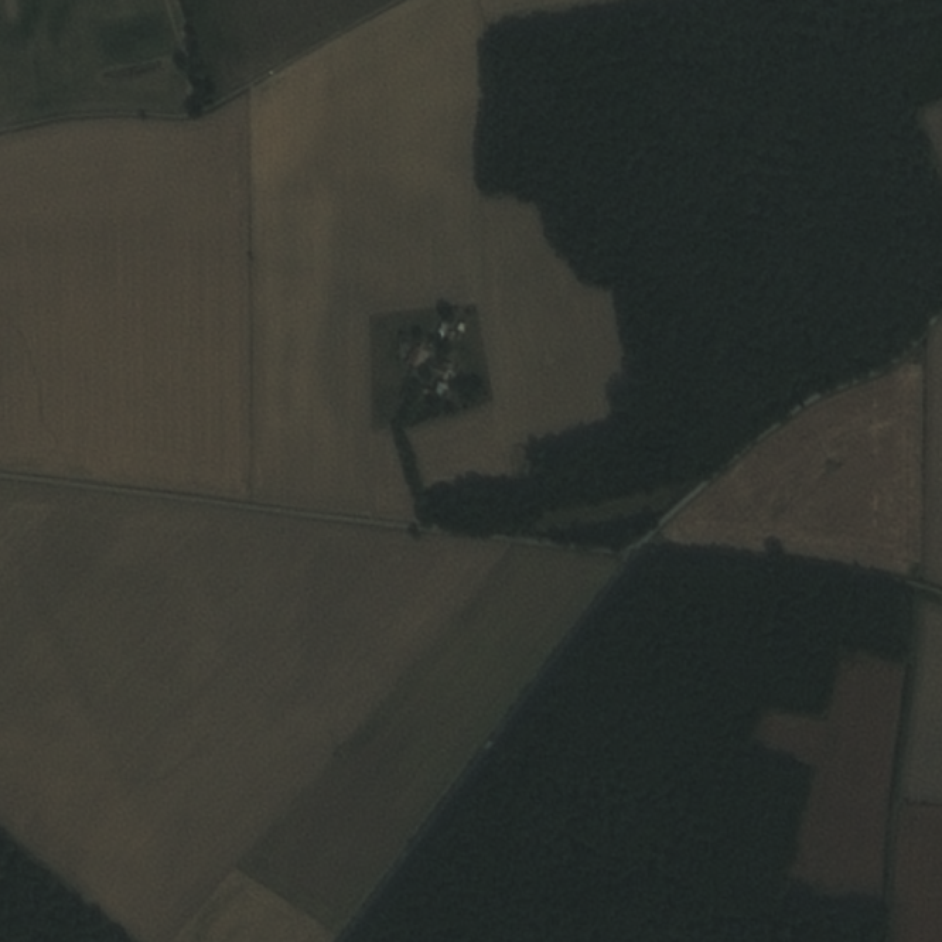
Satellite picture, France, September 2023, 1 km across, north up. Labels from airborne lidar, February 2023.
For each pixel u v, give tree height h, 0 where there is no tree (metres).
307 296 0
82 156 0
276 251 0
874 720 0
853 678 0
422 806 0
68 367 0
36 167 0
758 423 16
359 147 0
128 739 0
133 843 0
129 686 0
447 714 0
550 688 21
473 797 22
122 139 0
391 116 0
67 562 0
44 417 0
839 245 21
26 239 0
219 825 0
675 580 24
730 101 21
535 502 21
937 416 0
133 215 0
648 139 13
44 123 0
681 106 19
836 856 0
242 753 0
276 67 0
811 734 0
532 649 0
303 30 0
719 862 25
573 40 21
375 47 0
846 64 21
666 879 21
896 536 0
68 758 0
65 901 19
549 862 16
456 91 0
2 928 21
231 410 0
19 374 0
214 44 0
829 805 0
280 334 0
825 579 16
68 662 0
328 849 0
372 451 0
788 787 23
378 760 0
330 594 0
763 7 25
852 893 0
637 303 20
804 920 35
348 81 0
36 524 0
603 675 22
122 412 0
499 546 0
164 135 0
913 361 0
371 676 0
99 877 0
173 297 0
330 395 0
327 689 0
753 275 23
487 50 14
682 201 16
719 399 23
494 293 0
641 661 22
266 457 0
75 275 0
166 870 0
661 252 19
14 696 0
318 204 0
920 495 0
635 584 23
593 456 22
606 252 21
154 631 0
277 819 0
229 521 0
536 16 0
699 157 20
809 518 0
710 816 23
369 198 0
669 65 22
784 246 18
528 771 21
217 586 0
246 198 0
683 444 24
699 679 20
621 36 15
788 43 21
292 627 0
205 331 0
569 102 19
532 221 0
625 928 22
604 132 19
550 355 0
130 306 0
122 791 0
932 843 0
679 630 24
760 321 21
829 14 21
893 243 23
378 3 0
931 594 0
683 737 21
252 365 0
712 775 19
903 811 0
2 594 0
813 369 17
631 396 22
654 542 0
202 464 0
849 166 19
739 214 20
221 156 0
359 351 0
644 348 21
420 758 0
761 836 23
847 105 21
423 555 0
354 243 0
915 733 0
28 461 0
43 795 0
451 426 0
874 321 20
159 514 0
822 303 19
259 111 0
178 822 0
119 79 0
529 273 0
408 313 0
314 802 0
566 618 0
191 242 0
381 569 0
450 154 0
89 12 0
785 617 23
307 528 0
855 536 0
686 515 0
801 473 0
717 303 19
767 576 23
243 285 0
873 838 0
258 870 0
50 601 0
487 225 0
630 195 20
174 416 0
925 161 18
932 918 0
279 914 0
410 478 11
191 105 11
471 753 0
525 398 0
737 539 0
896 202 24
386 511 0
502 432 0
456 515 17
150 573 0
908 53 22
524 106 20
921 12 15
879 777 0
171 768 0
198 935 0
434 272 0
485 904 23
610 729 24
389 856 0
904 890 0
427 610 0
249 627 0
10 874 19
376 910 18
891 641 22
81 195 0
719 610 24
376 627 0
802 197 20
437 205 0
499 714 0
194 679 0
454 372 0
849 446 0
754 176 21
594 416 0
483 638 0
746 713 20
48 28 0
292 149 0
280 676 0
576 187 19
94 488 0
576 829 24
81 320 0
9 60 0
